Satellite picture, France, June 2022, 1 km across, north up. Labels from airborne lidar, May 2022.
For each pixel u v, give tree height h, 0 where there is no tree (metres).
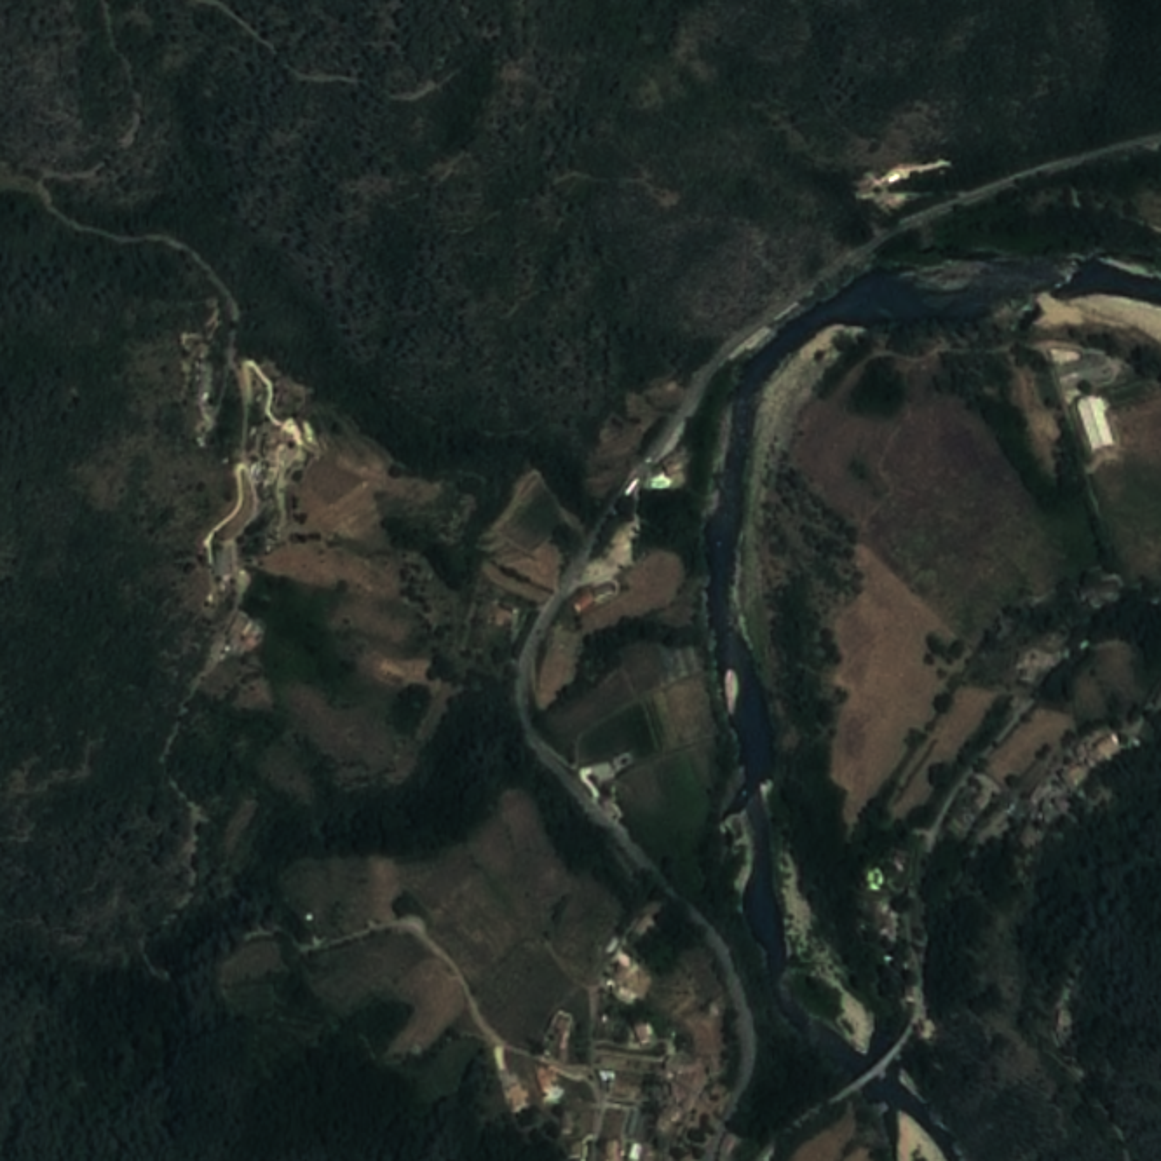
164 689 8
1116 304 0
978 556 0
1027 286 0
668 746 0
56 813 10
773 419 0
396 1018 10
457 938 0
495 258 9
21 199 9
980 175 11
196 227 8
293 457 0
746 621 0
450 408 7
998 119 6
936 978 9
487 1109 7
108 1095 7
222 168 6
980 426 0
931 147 8
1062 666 8
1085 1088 9
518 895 0
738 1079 11
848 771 0
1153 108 10
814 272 8
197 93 9
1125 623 18
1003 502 0
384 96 15
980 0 9
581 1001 0
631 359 11
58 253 11
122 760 14
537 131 7
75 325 11
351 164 7
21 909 15
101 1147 22
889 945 13
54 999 12
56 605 13
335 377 8
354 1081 20
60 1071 9
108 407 7
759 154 7
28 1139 24
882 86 9
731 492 0
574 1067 0
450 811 16
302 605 0
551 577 0
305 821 9
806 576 6
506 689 7
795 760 8
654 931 16
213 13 8
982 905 10
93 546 9
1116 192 8
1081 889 8
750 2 6
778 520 7
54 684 8
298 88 16
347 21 24
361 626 0
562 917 6
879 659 0
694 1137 13
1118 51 7
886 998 14
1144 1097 11
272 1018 8
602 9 8
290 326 7
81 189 10
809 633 6
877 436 0
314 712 0
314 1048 12
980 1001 12
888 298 0
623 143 6
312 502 0
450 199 13
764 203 11
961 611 0
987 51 12
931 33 9
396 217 10
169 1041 13
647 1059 0
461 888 0
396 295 11
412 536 9
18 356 14
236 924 13
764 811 0
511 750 14
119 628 10
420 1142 21
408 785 7
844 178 8
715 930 8
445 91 6
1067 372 0
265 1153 12
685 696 0
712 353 18
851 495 0
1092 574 10
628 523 16
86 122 10
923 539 0
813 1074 23
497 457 9
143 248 13
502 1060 0
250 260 9
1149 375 25
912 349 9
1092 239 12
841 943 14
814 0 9
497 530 0
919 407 0
